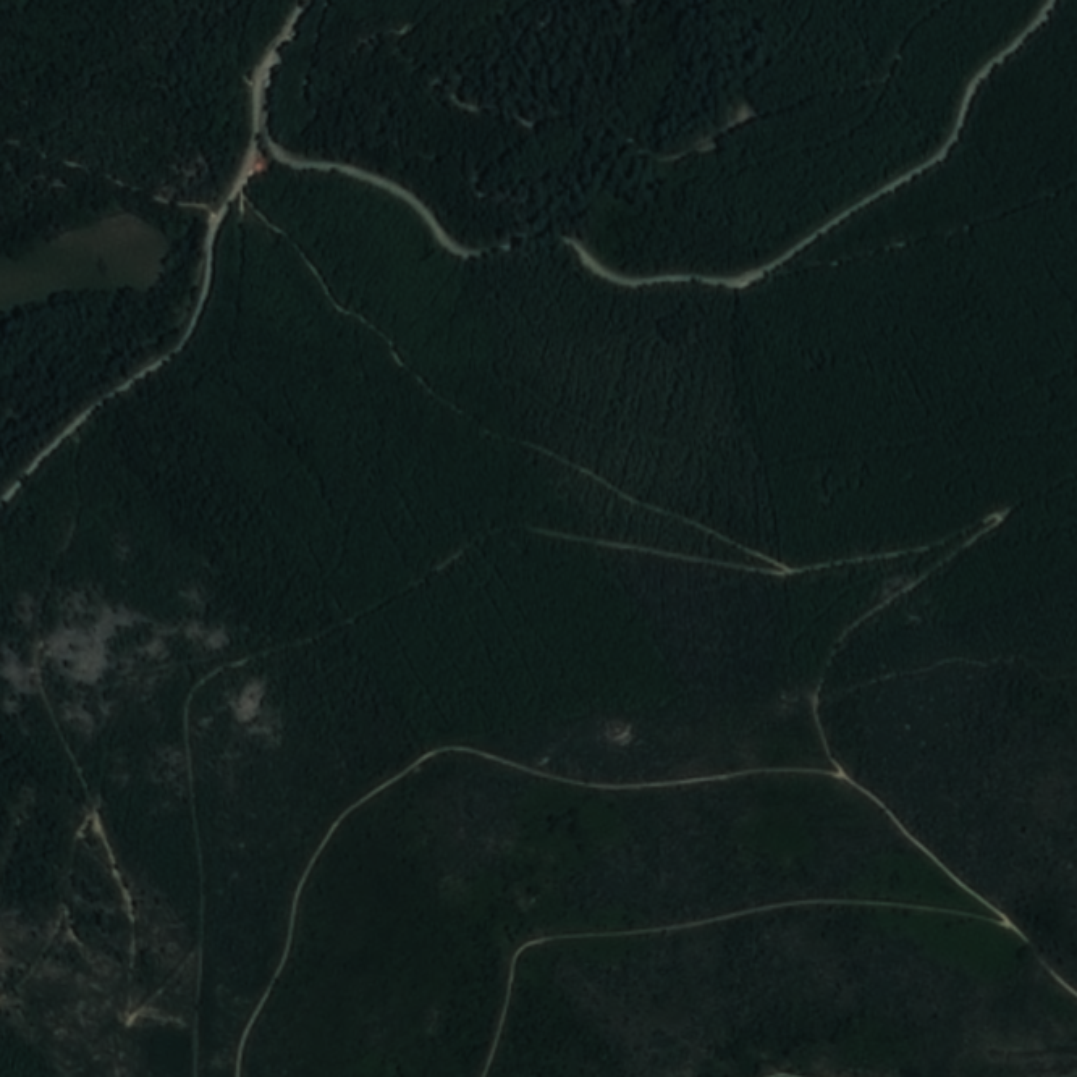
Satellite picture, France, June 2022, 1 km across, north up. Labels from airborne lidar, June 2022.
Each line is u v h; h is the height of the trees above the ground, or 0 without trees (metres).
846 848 0
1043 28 9
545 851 0
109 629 0
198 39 18
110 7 10
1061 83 12
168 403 10
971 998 0
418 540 10
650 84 21
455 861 0
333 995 0
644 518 8
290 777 0
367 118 27
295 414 11
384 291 11
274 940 0
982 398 10
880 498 9
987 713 6
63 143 14
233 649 6
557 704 6
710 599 8
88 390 19
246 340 11
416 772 0
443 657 8
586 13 28
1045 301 13
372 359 11
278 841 0
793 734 0
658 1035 6
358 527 10
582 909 8
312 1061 0
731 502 10
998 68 12
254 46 20
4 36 16
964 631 7
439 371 10
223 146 23
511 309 12
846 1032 9
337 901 0
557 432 12
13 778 8
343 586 9
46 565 6
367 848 0
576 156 20
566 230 25
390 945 0
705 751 0
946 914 0
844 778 0
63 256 0
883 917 0
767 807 0
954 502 10
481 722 7
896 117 11
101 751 7
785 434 10
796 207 14
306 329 12
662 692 7
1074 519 8
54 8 6
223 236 12
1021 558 8
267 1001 0
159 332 14
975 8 12
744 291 12
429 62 22
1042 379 10
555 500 10
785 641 9
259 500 9
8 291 0
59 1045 0
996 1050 0
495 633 7
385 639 10
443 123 19
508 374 9
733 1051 11
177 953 0
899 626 6
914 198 11
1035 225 12
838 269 8
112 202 12
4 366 27
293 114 32
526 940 0
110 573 6
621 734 0
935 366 10
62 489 7
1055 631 6
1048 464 10
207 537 10
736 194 12
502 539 12
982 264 12
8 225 16
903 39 8
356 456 10
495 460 11
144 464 11
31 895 7
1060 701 6
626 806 0
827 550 9
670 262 10
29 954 0
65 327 26
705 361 12
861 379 11
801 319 11
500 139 16
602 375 12
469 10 17
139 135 10
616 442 11
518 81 15
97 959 0
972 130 9
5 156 17
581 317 9
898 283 11
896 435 9
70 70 6
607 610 8
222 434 12
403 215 12
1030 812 0
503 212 23
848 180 10
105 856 0
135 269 0
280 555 9
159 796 6
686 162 10
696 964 0
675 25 23
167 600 7
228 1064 0
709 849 0
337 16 21
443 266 13
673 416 14
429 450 10
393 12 6
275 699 6
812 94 11
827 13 11
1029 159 10
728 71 36
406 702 9
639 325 11
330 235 9
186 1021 0
